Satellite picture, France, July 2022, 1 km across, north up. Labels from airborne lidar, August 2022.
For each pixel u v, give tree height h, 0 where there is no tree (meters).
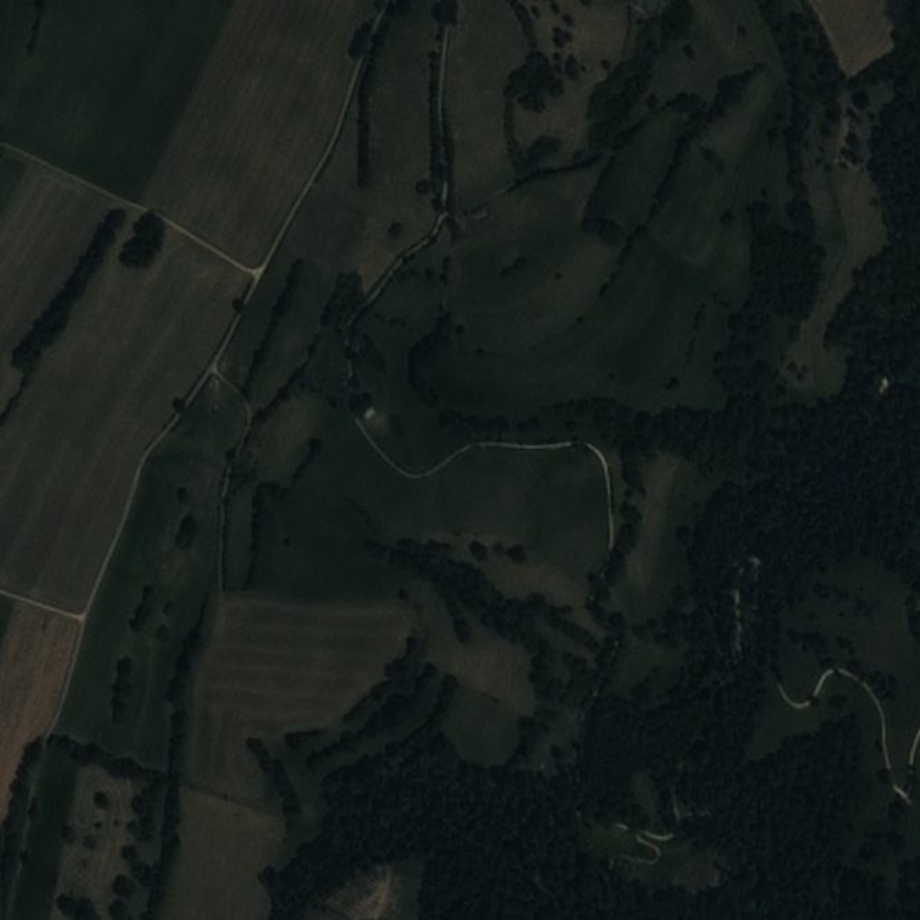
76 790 0
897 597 0
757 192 0
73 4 0
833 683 0
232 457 15
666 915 23
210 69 0
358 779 29
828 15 0
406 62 0
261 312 0
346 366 0
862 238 0
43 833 0
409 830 22
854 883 23
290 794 21
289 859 0
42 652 0
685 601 24
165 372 0
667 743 17
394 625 0
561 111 0
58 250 0
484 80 0
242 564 0
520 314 0
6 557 0
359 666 0
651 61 6
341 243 0
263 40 0
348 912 0
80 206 0
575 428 8
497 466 0
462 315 0
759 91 0
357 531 0
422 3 0
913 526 17
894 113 25
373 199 0
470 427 15
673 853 0
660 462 0
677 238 0
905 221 28
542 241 0
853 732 17
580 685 7
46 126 0
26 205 0
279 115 0
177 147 0
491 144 0
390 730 19
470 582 34
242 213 0
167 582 0
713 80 0
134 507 0
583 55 0
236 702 0
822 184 0
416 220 0
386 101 0
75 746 15
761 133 0
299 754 0
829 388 0
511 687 0
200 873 0
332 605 0
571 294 0
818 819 7
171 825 10
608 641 11
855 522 20
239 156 0
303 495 0
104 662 0
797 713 0
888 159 24
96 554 0
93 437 0
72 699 0
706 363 0
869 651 0
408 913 0
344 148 0
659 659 0
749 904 24
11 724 0
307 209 0
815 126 0
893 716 0
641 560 0
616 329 0
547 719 19
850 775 27
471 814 32
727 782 33
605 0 0
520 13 13
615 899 8
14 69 0
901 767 0
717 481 0
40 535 0
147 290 0
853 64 0
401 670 20
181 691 16
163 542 0
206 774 0
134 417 0
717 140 0
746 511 13
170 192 0
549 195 0
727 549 29
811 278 6
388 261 0
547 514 0
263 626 0
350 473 0
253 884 0
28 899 0
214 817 0
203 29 0
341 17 0
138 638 0
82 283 13
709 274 0
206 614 6
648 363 0
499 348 0
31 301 0
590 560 0
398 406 0
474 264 0
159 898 15
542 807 32
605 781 23
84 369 0
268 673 0
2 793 0
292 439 0
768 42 0
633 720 17
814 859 24
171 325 0
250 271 0
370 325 0
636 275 0
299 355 0
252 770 0
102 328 0
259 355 12
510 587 0
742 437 29
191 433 0
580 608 0
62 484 0
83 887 0
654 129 0
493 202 0
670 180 9
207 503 0
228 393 0
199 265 0
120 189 0
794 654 0
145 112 0
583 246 0
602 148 7
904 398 26
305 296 0
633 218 0
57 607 0
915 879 24
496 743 0
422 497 0
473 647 0
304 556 0
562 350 0
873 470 27
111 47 0
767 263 8
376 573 0
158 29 0
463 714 0
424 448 0
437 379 0
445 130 9
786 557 19
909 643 0
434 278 14
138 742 0
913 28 13
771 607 25
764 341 7
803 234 10
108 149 0
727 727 33
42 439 0
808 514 16
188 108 0
